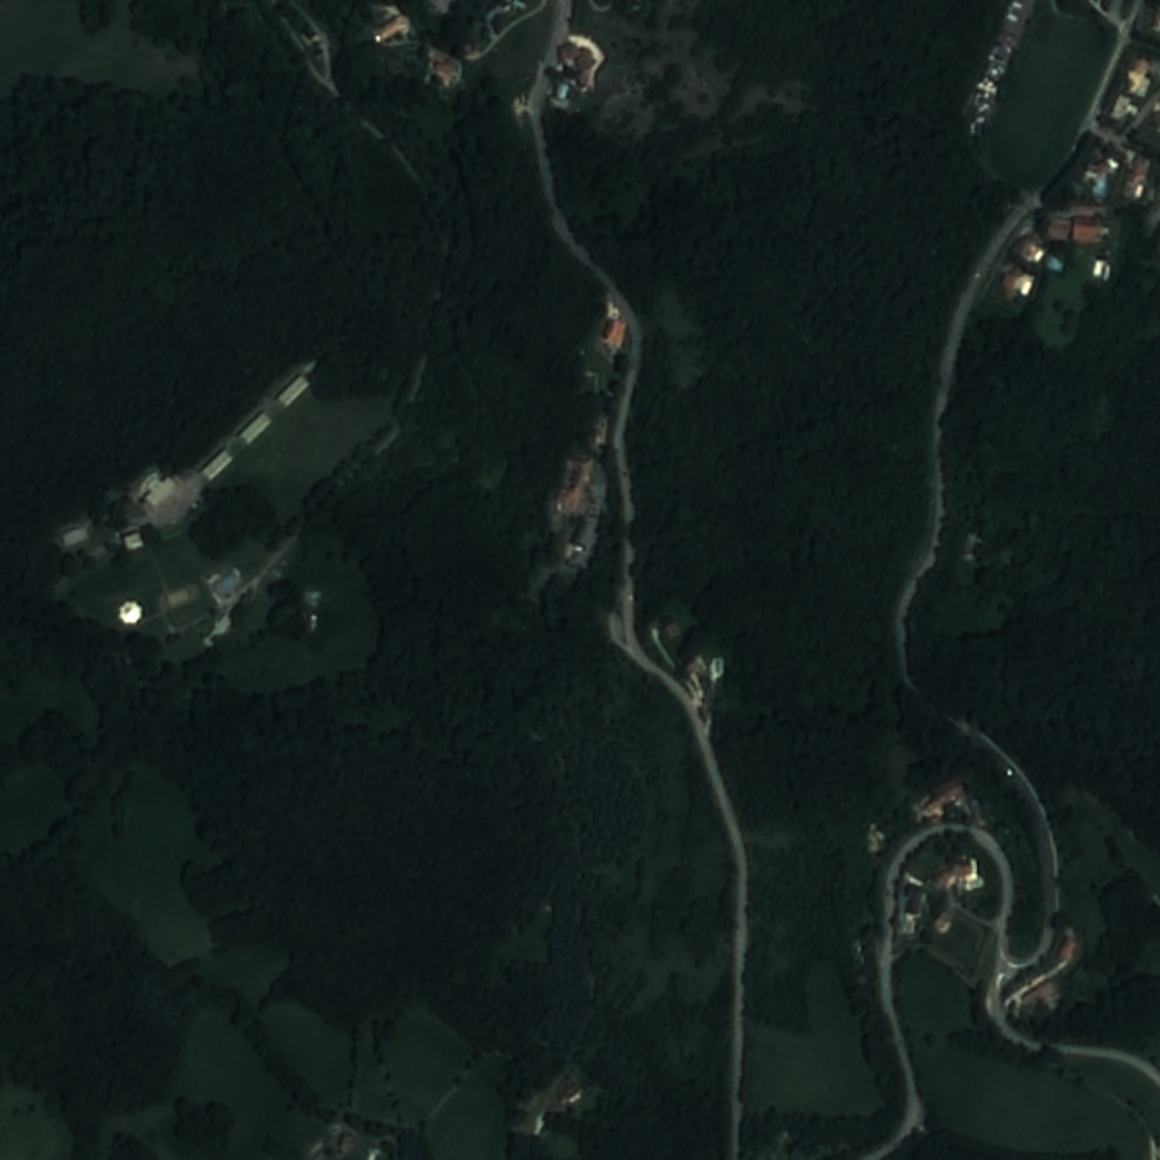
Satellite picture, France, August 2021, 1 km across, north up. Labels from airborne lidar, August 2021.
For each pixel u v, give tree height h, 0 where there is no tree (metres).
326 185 20
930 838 6
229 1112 17
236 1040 0
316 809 25
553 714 8
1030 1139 0
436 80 9
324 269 17
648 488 18
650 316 16
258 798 24
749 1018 13
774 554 14
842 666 24
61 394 17
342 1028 7
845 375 11
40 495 16
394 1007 17
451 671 27
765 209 20
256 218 19
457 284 22
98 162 21
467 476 14
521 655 21
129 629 0
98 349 10
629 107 6
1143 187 0
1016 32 0
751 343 15
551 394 22
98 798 14
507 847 18
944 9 13
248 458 0
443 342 23
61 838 17
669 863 0
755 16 11
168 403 10
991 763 17
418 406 10
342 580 0
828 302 10
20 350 22
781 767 18
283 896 19
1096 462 16
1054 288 0
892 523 8
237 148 18
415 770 18
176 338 14
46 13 0
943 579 18
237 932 15
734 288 14
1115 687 28
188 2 19
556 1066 13
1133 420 15
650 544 20
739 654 9
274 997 10
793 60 7
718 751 9
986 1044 10
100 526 12
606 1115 12
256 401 5
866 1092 0
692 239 18
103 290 16
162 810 0
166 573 0
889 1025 19
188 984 25
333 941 15
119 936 19
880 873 12
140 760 18
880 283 22
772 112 11
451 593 27
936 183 17
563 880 14
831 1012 0
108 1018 23
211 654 12
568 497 0
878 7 17
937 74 21
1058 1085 0
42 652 28
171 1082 21
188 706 10
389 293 19
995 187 15
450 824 15
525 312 26
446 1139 0
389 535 21
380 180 9
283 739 26
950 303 20
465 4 8
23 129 13
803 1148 21
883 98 26
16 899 26
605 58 0
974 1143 7
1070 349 6
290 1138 0
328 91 14
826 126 13
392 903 19
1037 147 0
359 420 0
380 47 13
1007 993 7
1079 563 15
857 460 20
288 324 11
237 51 20
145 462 9
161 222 15
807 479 26
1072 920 8
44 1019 22
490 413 13
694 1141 21
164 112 15
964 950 0
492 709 20
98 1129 21
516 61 0
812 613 16
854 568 24
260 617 0
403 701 14
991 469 23
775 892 6
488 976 18
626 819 10
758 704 14
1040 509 13
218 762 31
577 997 14
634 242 21
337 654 0
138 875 0
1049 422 7
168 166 18
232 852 17
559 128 17
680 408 12
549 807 18
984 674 25
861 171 8
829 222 21
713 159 9
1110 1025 16
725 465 27
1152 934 18
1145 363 9
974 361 18
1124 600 26
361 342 22
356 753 23
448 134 8
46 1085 18
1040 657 19
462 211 25
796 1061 0
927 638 23
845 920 10
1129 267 7
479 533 22
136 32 8
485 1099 0
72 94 14
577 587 7
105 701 20
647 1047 6
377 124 19
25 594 24
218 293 13
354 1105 11
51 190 7
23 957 28
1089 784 19
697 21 9
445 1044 0
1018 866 7
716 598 12
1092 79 0
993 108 0
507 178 25
